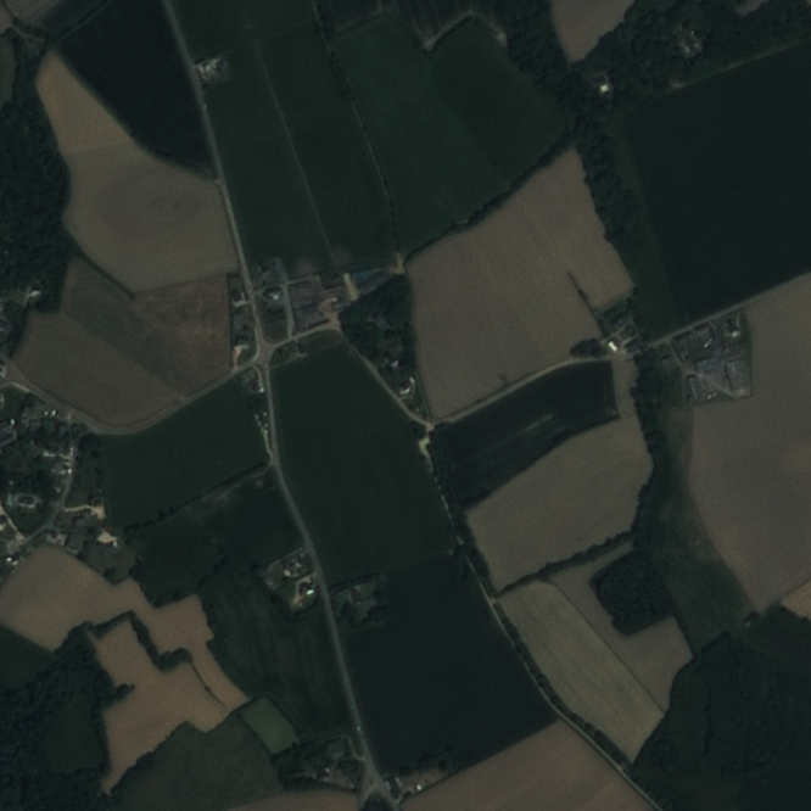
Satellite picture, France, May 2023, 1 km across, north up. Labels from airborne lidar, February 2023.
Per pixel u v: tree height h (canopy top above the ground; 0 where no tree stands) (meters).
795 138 0
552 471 0
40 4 0
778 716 9
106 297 0
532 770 0
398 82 0
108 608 0
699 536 0
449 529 13
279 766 11
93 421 0
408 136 0
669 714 6
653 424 13
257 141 0
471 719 0
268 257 0
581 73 19
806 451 0
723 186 0
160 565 0
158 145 0
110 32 0
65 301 0
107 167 0
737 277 0
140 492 0
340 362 0
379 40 0
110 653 0
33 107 11
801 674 0
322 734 0
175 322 0
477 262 0
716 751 12
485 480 0
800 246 0
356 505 0
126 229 0
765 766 8
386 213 0
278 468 0
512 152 0
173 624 0
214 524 0
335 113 0
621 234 27
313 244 0
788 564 0
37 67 9
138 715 0
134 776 14
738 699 7
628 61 19
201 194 0
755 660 13
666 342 0
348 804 0
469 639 0
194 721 0
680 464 0
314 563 0
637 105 14
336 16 0
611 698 0
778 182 0
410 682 0
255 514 0
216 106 0
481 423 0
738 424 0
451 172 0
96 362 0
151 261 0
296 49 0
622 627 12
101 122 0
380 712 0
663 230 0
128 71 0
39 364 0
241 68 0
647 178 0
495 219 0
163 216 0
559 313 0
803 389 0
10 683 0
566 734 0
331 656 0
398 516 0
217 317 0
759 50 15
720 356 0
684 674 8
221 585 0
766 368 0
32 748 20
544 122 0
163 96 0
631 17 9
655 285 0
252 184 0
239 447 0
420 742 0
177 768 0
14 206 18
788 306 0
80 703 0
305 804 0
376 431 0
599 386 0
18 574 0
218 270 0
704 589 0
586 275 0
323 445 0
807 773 0
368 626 6
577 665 0
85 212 0
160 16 0
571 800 0
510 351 0
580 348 11
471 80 0
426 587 0
